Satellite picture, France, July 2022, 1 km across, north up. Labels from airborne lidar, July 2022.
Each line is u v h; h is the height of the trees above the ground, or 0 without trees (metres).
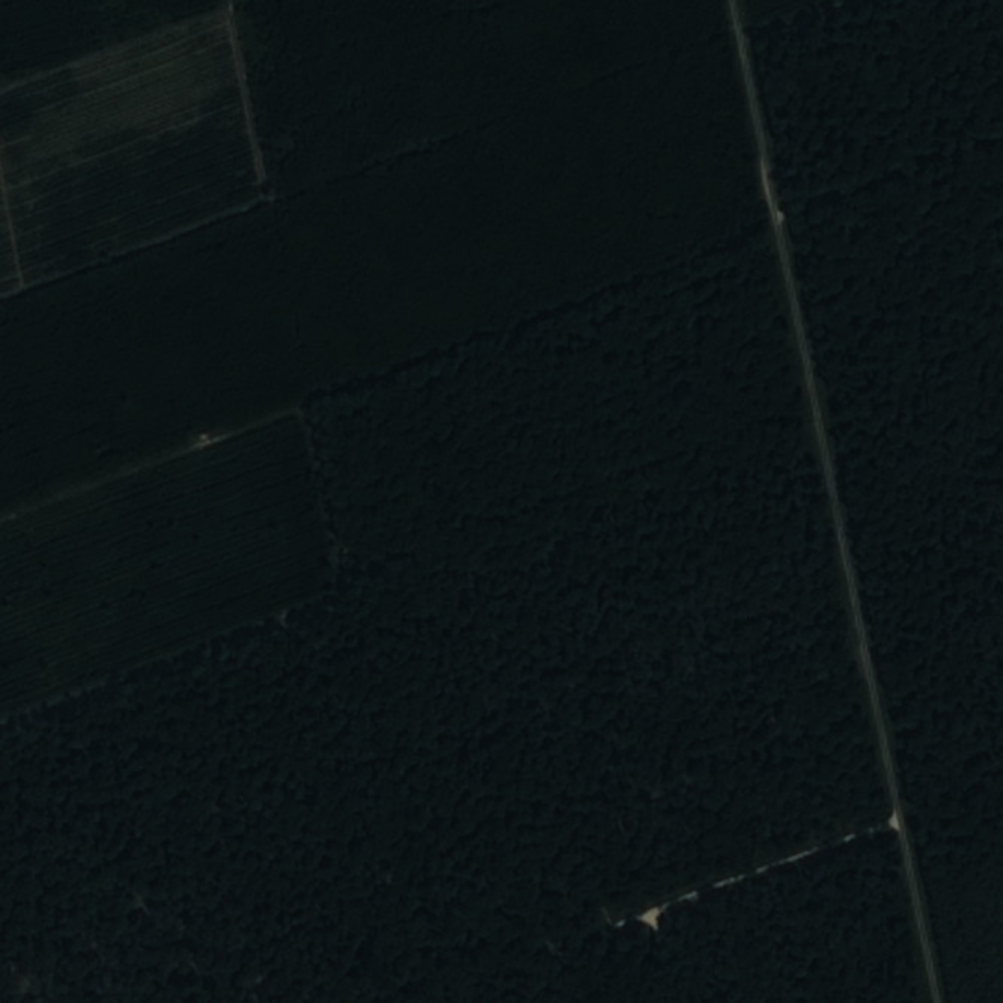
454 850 23
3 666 6
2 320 9
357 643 23
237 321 9
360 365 10
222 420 10
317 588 6
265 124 7
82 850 28
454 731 18
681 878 17
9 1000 31
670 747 24
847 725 29
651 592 26
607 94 10
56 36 6
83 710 24
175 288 10
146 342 10
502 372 30
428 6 8
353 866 28
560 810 29
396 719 24
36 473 9
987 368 24
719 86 12
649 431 28
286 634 27
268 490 6
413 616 25
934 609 25
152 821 26
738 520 28
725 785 29
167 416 9
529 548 26
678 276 21
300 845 25
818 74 29
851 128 27
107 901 22
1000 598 24
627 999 27
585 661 29
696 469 28
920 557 26
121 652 6
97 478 8
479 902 28
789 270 0
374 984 27
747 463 22
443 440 23
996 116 26
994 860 15
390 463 26
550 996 18
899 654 27
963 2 19
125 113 0
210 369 10
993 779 27
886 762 0
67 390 10
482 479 26
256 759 21
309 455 6
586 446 23
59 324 13
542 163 12
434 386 30
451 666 13
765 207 13
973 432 26
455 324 10
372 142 10
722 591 30
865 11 24
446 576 29
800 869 17
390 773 23
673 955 22
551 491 21
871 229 31
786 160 11
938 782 29
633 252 11
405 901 31
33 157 0
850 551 0
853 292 25
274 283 11
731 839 22
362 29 10
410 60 8
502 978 13
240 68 0
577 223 11
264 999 26
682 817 26
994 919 11
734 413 26
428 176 10
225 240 10
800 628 19
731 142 15
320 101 9
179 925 30
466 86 10
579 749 24
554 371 25
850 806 25
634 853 24
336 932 24
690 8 11
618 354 26
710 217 14
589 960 25
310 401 20
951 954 13
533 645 28
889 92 29
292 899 27
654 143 13
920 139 28
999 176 23
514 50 10
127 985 28
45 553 6
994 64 26
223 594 6
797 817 25
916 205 27
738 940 26
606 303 19
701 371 29
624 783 30
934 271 22
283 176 8
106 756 24
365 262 9
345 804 28
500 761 30
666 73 10
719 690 20
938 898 13
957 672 23
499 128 12
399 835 28
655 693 19
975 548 14
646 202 10
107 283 11
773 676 28
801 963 26
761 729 28
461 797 27
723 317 28
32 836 23
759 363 27
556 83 11
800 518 26
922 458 25
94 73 0
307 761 29
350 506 28
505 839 27
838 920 23
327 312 12
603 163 10
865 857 27
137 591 9
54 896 24
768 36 22
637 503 26
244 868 25
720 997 26
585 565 25
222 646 23
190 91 0
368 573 25
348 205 11
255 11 9
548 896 30
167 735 26
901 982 28
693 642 26
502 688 25
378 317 11
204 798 26
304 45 10
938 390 26
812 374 0
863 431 24
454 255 11
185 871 27
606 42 12
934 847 22
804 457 24
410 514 24
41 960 28
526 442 25
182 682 21
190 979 29
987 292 28
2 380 11
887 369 25
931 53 24
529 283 12
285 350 10
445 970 27
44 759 27
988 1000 15
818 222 29
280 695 19
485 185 11
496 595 26
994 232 20
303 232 10
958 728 25
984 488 29
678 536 26
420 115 11
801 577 28
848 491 26
